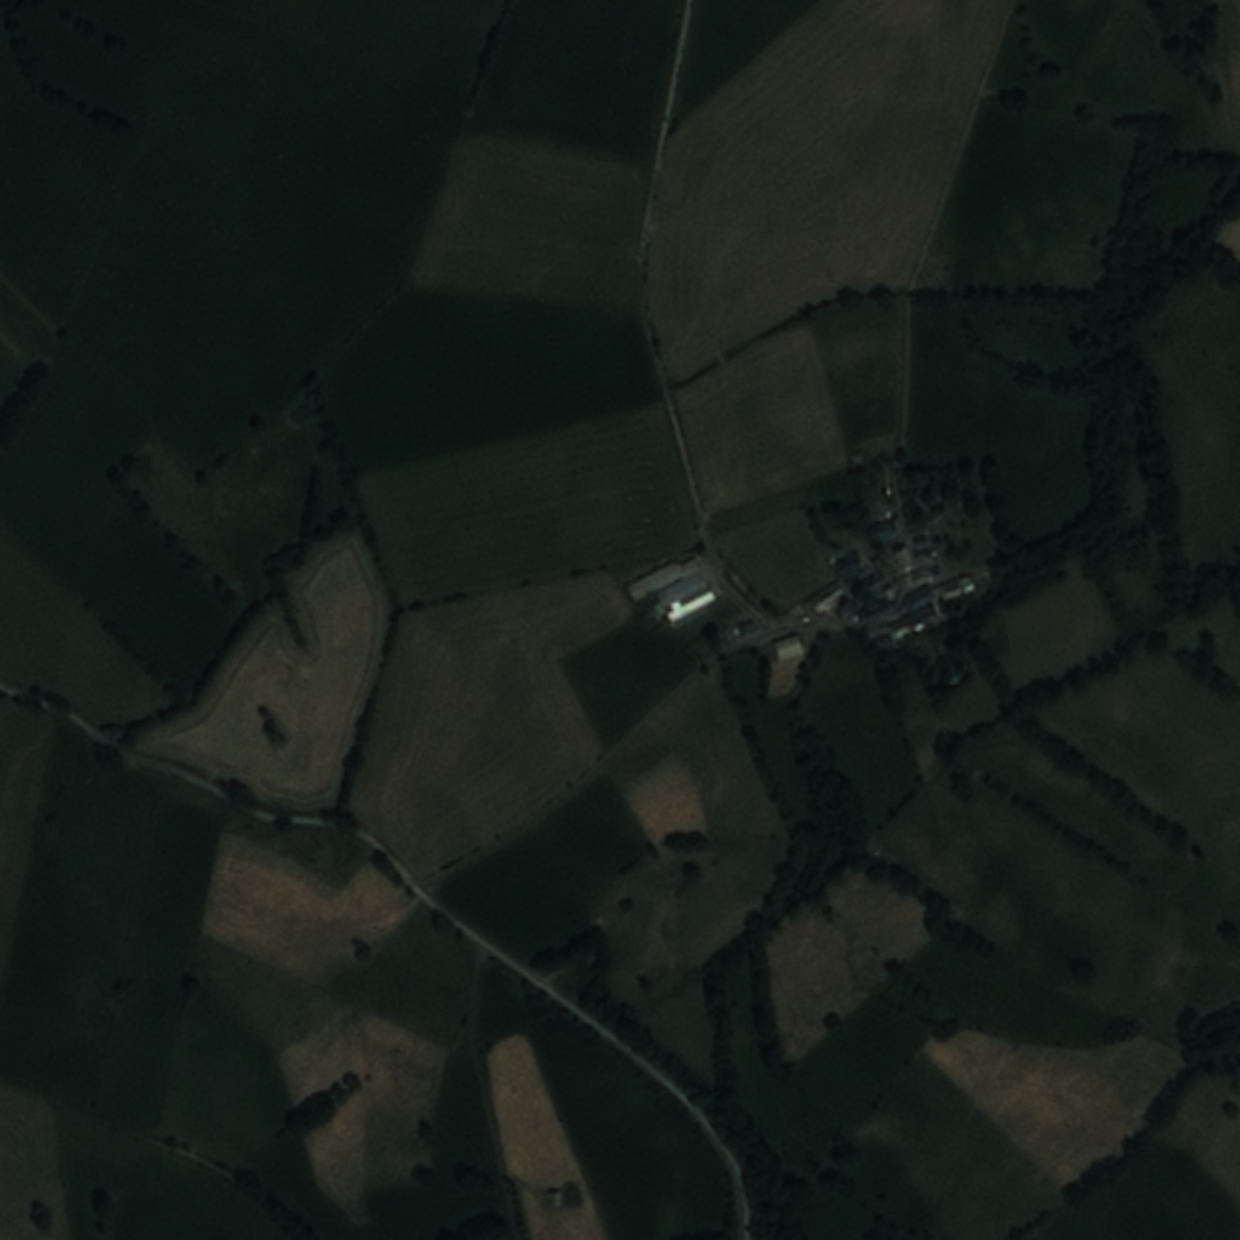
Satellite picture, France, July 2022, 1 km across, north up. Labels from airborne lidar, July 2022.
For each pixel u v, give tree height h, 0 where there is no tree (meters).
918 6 0
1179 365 0
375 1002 0
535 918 0
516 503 0
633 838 0
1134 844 0
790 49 0
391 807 0
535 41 0
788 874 18
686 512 0
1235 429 0
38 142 0
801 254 0
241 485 0
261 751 0
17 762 0
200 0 0
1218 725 0
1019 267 0
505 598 0
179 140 0
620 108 0
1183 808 0
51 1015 0
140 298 0
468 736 0
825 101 0
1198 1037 11
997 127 0
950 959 0
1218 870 0
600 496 0
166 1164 0
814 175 0
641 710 0
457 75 0
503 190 0
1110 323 22
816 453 0
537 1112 0
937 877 0
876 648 10
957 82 0
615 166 0
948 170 0
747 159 0
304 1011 0
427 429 0
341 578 0
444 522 0
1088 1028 0
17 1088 0
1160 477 24
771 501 0
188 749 0
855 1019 0
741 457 0
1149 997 0
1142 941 0
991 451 0
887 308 11
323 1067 0
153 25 0
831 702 0
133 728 8
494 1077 0
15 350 0
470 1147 0
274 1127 0
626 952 0
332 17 0
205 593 0
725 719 0
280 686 0
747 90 0
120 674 0
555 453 0
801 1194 21
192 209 0
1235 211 18
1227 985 0
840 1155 17
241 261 0
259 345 0
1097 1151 0
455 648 0
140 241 0
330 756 0
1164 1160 0
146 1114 0
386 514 0
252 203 0
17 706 13
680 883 0
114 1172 0
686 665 0
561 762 0
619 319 0
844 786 23
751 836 0
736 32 0
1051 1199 0
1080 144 0
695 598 0
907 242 0
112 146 0
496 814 0
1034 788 0
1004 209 0
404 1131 0
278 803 0
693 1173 0
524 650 0
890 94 0
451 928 11
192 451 0
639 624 0
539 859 0
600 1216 0
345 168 0
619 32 0
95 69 0
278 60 0
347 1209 0
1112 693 0
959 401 0
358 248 0
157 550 0
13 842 0
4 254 0
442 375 0
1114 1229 0
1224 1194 0
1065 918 0
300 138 0
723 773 0
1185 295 0
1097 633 0
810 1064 0
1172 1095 17
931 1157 0
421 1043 0
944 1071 0
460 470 0
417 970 0
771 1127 0
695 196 0
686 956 0
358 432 0
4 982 0
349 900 0
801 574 0
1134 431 6
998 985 0
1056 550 10
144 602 0
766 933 17
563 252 0
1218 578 23
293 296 0
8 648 0
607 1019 9
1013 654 0
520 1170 0
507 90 0
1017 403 0
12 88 0
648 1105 0
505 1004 0
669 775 0
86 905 0
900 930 0
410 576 0
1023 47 7
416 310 0
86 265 0
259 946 0
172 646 0
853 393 0
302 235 0
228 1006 0
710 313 0
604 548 0
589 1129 0
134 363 0
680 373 0
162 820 0
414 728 0
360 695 0
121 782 0
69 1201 0
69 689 0
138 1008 0
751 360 0
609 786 0
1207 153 15
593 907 0
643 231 0
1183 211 0
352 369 0
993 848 0
